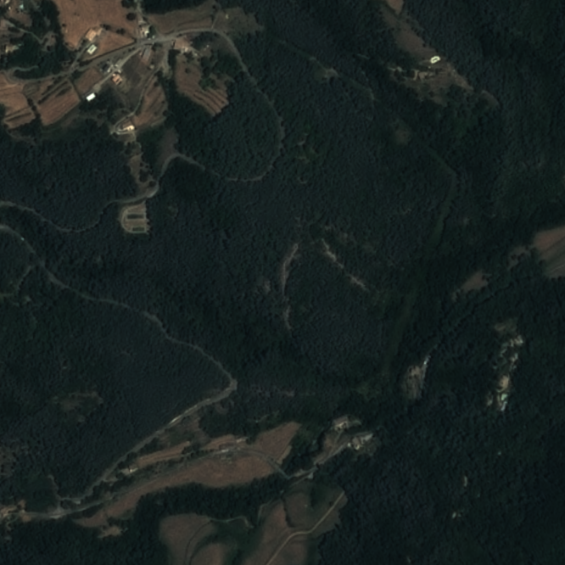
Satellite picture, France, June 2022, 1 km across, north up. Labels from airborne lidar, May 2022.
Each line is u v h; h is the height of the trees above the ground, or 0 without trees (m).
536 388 16
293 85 22
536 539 16
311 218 17
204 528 0
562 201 19
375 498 23
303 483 0
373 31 10
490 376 15
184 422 10
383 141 9
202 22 0
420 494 16
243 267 24
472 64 15
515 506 16
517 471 22
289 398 13
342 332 14
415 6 16
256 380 14
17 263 21
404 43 0
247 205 17
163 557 9
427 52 0
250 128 21
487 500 10
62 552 17
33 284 16
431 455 14
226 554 0
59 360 19
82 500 9
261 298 14
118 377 12
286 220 19
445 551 16
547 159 9
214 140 18
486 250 19
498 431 14
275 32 13
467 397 20
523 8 21
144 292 19
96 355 12
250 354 29
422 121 21
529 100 17
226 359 17
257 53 20
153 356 16
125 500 0
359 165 16
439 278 16
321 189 19
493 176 8
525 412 16
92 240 23
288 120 14
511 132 13
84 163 15
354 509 9
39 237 22
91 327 19
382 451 13
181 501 20
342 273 6
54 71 9
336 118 23
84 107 10
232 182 10
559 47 12
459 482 12
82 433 15
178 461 6
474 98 6
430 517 17
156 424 13
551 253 0
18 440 17
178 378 13
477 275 0
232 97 7
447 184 22
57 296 16
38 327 10
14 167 13
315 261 14
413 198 21
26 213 16
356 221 16
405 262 17
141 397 16
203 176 14
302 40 16
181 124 10
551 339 16
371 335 23
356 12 16
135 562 17
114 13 0
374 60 18
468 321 15
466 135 9
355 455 7
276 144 23
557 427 21
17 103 0
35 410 7
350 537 15
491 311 16
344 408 19
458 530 13
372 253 7
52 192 13
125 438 17
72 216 19
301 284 13
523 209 13
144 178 13
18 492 9
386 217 22
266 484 17
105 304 19
